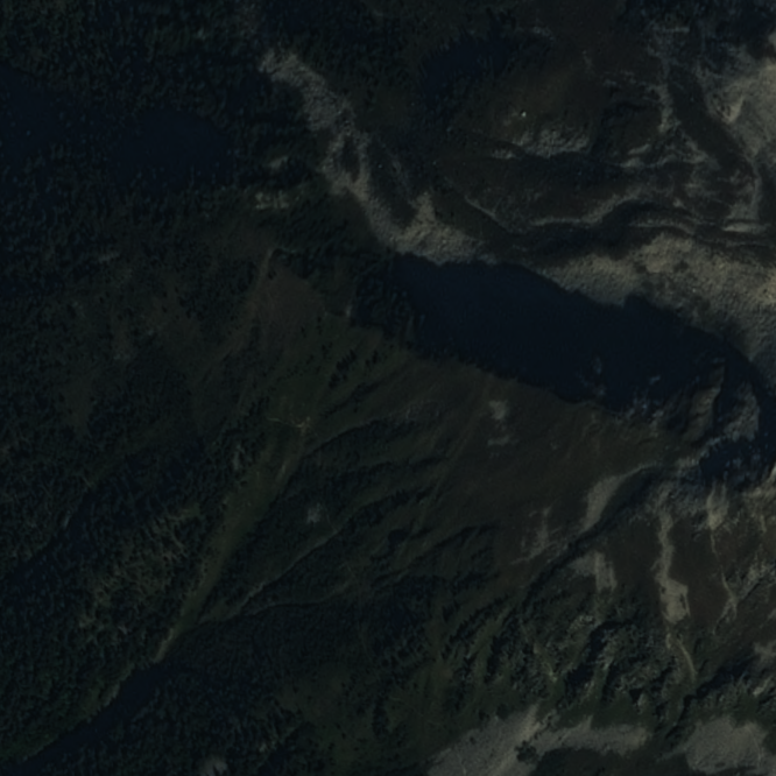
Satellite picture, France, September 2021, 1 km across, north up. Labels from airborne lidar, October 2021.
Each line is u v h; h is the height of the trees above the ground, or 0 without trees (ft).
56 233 94
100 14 29
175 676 28
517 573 0
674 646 0
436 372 0
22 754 17
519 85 0
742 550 0
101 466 32
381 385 0
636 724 0
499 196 0
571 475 0
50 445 29
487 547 0
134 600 28
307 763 45
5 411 26
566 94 0
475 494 0
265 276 0
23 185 21
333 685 0
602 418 0
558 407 0
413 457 0
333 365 0
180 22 33
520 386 0
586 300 0
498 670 35
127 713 40
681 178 0
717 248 0
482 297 0
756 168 0
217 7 25
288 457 0
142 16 63
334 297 0
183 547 87
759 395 0
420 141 0
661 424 0
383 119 0
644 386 0
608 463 0
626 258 0
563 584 0
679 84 0
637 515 0
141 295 0
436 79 0
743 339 0
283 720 45
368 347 0
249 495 0
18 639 31
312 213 17
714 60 0
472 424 0
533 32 0
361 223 0
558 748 0
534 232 0
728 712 0
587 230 0
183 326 0
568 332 0
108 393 0
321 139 0
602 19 0
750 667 0
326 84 0
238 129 19
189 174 70
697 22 0
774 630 0
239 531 0
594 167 0
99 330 0
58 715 39
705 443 0
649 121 0
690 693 0
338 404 0
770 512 0
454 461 0
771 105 0
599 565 0
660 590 0
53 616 24
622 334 0
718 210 0
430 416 0
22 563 81
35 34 29
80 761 46
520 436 0
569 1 0
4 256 31
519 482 0
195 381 0
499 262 0
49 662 59
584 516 0
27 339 19
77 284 60
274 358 0
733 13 0
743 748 0
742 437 0
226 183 20
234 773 61
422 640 44
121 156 19
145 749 33
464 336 0
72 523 24
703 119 0
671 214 0
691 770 0
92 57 47
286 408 0
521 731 0
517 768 0
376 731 40
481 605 0
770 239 0
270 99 44
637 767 0
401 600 19
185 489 62
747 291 0
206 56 20
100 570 27
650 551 0
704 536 0
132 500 31
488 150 0
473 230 0
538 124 0
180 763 26
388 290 27
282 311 0
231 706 21
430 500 0
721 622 0
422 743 0
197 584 26
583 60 0
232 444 63
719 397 0
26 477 21
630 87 0
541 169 0
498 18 0
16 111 17
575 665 0
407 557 0
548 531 0
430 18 0
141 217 19
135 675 0
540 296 0
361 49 21
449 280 0
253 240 0
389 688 35
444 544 0
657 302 0
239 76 25
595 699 0
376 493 0
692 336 0
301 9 19
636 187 0
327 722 0
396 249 0
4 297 23
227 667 18
